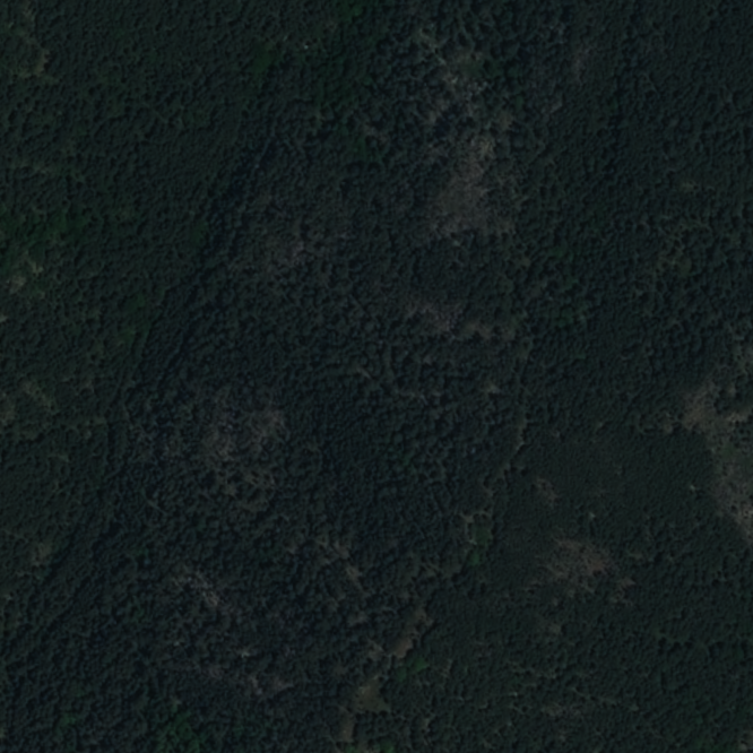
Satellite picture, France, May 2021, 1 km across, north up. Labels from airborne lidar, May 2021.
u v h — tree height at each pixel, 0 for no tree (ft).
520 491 84
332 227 79
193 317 75
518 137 95
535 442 81
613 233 57
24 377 34
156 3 85
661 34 69
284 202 91
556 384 93
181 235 88
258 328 81
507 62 35
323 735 64
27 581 83
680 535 83
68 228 52
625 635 94
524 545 82
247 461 75
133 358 72
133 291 84
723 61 98
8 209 47
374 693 0
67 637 93
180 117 68
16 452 69
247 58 84
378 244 69
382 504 65
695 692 74
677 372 67
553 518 91
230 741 30
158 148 94
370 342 72
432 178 65
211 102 79
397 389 72
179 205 62
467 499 50
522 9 107
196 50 62
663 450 88
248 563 105
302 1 65
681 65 86
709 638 96
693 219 58
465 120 71
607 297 88
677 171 53
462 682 47
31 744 85
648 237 62
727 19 94
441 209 77
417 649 56
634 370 73
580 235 86
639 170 81
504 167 66
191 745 81
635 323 59
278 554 82
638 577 104
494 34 109
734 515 60
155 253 71
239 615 81
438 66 52
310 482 84
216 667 71
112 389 73
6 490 83
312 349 97
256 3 73
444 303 67
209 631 53
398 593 64
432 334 61
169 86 76
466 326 82
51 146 99
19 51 68
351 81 104
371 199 94
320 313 30
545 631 93
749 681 73
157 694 84
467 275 52
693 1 96
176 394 87
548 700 91
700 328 63
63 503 76
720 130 81
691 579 95
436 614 68
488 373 73
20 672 72
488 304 80
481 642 90
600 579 93
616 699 89
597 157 77
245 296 92
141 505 71
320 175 92
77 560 83
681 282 80
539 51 88
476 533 47
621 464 74
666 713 69
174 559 75
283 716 67
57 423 58
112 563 92
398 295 72
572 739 94
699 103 67
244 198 110
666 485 83
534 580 83
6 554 58
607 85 71
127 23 87
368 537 70
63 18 77
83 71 65
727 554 93
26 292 57
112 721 73
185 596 56
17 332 64
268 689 67
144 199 94
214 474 35
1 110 75
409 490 69
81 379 50
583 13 71
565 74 73
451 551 65
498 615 91
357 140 84
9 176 76
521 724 86
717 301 60
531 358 40
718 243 87
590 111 77
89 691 58
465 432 62
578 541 91
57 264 36
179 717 88
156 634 70
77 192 80
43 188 63
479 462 47
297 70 93
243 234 93
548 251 96
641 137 74
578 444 50
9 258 50
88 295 60
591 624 83
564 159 85
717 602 106
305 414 62
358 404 78
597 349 77
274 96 87
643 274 70
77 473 80
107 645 103
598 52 74
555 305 87
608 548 94
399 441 49
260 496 64
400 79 74
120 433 92
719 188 85
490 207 49
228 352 86
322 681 58
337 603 66
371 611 61
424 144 85
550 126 72
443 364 63
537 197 80
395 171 57
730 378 68
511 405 50
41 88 68
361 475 77
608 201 73
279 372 76
